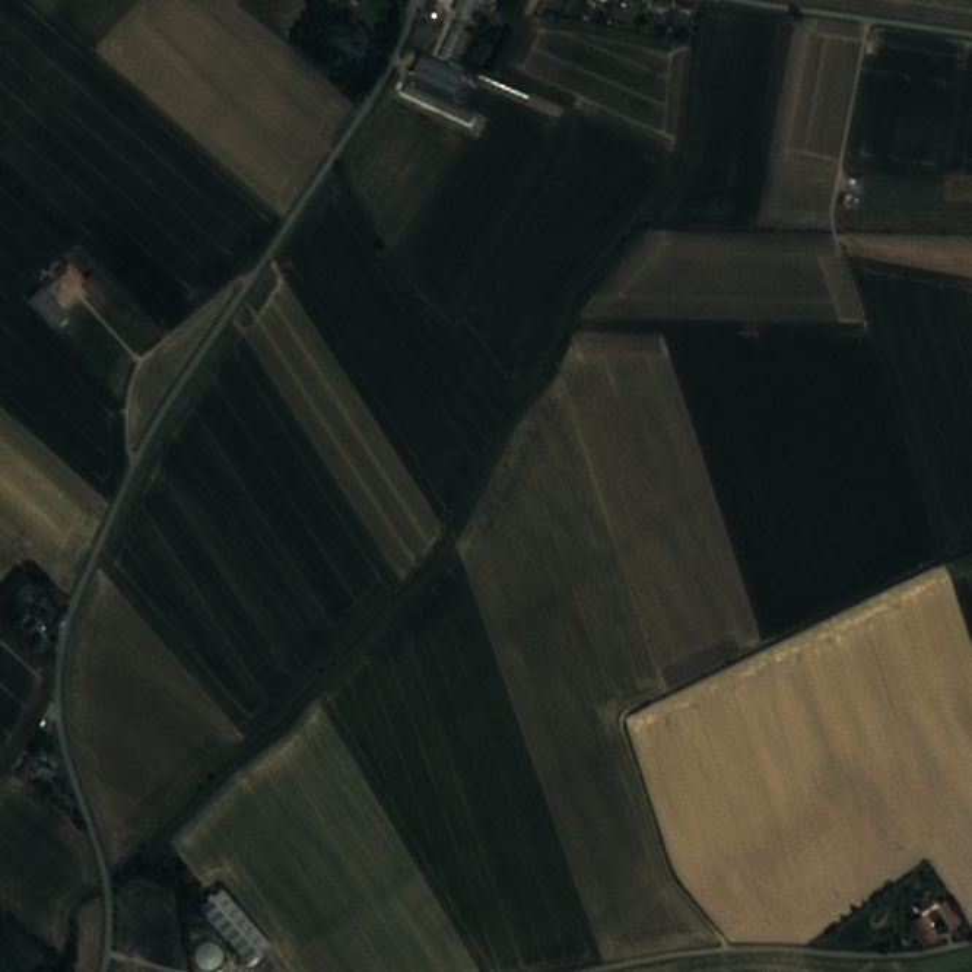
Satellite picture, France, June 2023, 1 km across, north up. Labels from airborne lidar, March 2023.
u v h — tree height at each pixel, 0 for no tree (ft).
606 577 0
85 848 0
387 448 0
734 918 0
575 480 0
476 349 0
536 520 0
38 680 0
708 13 0
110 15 0
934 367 0
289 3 0
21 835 0
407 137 0
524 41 0
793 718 0
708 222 0
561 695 0
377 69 52
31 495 0
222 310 0
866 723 0
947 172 0
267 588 0
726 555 0
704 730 0
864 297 0
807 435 0
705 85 0
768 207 0
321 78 0
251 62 0
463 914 0
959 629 0
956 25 0
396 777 0
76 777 0
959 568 0
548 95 0
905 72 0
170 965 0
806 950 0
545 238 0
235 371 0
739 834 0
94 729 0
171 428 0
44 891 0
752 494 0
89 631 0
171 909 0
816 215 0
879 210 0
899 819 0
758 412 0
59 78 0
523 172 0
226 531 0
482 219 0
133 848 0
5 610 25
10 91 0
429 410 0
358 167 0
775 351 0
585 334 0
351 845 0
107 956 0
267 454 0
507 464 0
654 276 0
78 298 0
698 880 0
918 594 0
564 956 0
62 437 0
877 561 0
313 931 0
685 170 0
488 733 0
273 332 0
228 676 0
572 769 0
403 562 0
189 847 0
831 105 0
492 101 0
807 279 0
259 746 0
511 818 0
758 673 0
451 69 0
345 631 0
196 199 0
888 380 0
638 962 0
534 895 0
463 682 0
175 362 0
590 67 0
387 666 0
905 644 0
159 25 0
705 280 0
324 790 0
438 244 0
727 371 0
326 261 0
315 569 0
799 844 0
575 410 0
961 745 0
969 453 0
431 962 0
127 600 0
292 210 0
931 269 0
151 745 0
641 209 0
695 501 0
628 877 0
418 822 0
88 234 0
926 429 0
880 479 0
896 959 0
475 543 0
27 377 0
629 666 0
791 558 0
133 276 0
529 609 0
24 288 0
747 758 0
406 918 0
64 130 0
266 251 0
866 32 0
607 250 0
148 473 0
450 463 0
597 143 0
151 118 0
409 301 0
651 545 0
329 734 0
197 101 0
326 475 0
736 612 0
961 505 0
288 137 0
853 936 0
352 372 0
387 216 0
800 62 0
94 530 0
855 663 0
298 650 0
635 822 0
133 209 0
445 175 0
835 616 0
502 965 0
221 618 0
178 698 0
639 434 0
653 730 0
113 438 0
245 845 0
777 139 0
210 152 0
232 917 0
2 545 0
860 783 0
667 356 0
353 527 0
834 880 0
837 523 0
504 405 0
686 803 0
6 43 0
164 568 0
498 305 0
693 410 0
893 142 0
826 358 0
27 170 0
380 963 0
